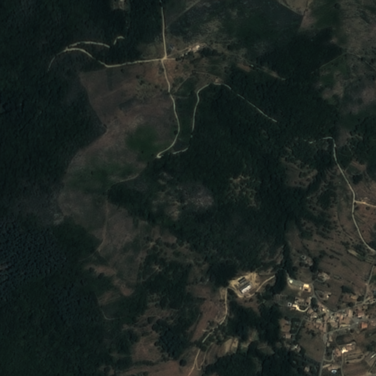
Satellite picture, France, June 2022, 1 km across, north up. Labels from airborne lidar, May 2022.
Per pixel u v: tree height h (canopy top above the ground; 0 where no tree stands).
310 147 9
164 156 9
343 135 0
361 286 0
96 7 25
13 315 9
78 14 10
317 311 7
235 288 0
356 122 0
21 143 17
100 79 0
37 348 15
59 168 7
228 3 0
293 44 6
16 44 6
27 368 16
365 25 0
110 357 10
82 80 0
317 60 6
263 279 0
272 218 12
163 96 0
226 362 8
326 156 15
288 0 0
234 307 7
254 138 19
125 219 0
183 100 0
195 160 12
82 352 12
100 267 0
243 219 6
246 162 10
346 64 0
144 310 7
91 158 0
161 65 0
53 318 16
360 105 0
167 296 9
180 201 8
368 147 7
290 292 0
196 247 18
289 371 18
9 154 12
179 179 11
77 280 8
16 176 11
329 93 0
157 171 8
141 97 0
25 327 17
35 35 7
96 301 10
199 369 0
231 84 9
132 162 0
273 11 0
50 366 18
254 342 10
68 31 11
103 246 0
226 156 12
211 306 0
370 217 0
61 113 14
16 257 31
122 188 10
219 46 0
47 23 7
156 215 6
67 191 0
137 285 6
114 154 0
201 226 10
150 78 0
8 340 16
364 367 0
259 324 12
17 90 10
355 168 0
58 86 12
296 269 12
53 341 16
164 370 0
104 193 13
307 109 19
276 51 10
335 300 0
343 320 0
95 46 7
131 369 0
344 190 0
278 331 11
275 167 24
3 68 9
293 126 13
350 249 0
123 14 9
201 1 0
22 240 31
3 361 16
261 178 18
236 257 7
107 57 10
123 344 9
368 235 0
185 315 7
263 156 24
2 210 7
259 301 9
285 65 12
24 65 10
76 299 15
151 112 0
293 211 21
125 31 12
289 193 14
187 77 0
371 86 0
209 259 22
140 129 0
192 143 12
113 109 0
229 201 12
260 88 15
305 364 13
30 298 21
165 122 0
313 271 21
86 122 7
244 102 13
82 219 0
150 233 0
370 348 11
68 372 21
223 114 20
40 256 31
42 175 7
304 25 0
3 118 16
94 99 0
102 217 0
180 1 0
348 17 0
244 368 7
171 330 26
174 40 0
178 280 16
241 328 14
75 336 8
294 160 10
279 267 9
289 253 11
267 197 11
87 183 0
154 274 7
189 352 0
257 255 10
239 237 6
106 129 0
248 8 0
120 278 0
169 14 0
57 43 9
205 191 0
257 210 8
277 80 11
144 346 0
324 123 9
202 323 0
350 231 0
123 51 8
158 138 0
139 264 7
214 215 12
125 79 0
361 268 0
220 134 6
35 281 19
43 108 13
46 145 15
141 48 0
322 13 0
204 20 0
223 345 0
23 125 14
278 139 15
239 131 18
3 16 6
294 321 10
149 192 7
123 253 0
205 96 7
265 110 9
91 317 7
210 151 14
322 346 0
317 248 0
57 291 31
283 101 18
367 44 0
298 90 15
